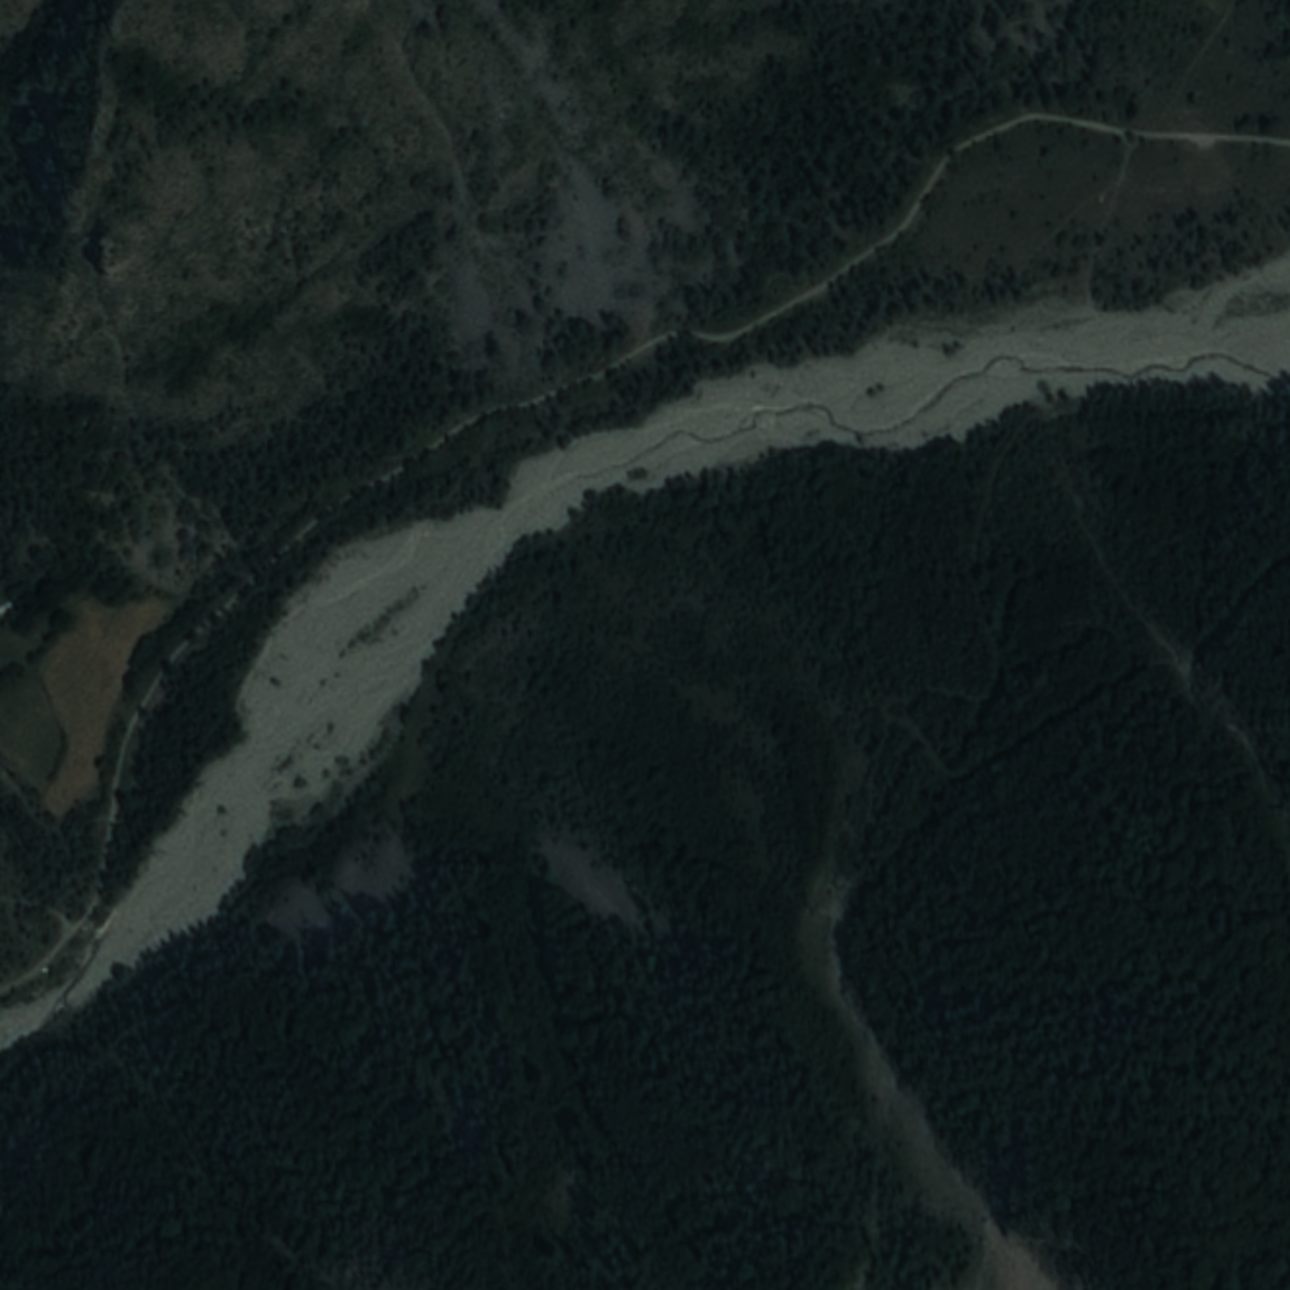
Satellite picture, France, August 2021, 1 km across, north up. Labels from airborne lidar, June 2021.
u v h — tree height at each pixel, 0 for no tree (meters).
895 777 6
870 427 0
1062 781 16
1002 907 14
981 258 0
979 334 0
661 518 7
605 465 0
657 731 6
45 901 7
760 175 19
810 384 0
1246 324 0
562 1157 6
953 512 22
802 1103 20
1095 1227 18
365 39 5
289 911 0
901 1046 8
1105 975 19
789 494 17
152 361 6
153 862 0
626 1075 19
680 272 6
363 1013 19
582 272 0
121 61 21
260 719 0
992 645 12
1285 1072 9
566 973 24
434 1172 16
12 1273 14
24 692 0
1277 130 15
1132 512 8
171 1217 14
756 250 15
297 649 0
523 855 6
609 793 8
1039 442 6
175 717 18
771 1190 17
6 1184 8
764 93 8
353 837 7
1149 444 6
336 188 7
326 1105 19
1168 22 6
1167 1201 16
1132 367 0
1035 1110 14
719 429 0
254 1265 7
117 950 0
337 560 0
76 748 0
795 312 6
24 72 6
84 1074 10
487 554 0
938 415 0
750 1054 8
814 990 8
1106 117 7
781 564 20
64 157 10
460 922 18
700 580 6
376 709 0
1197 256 14
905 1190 8
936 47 9
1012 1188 8
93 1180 15
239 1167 17
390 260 24
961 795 17
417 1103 19
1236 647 20
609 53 8
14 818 11
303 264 17
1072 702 14
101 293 8
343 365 7
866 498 16
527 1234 6
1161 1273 17
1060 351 0
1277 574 17
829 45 25
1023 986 24
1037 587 15
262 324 8
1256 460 18
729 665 6
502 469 7
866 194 9
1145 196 0
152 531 6
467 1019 16
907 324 0
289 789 0
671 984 20
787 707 8
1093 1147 18
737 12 8
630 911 0
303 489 20
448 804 0
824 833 6
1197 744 20
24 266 16
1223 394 25
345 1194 12
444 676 7
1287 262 0
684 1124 12
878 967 12
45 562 24
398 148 6
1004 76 8
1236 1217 15
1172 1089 16
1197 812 21
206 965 29
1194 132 0
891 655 19
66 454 25
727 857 7
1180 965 23
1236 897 24
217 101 8
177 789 8
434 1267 9
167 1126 20
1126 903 19
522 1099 6
